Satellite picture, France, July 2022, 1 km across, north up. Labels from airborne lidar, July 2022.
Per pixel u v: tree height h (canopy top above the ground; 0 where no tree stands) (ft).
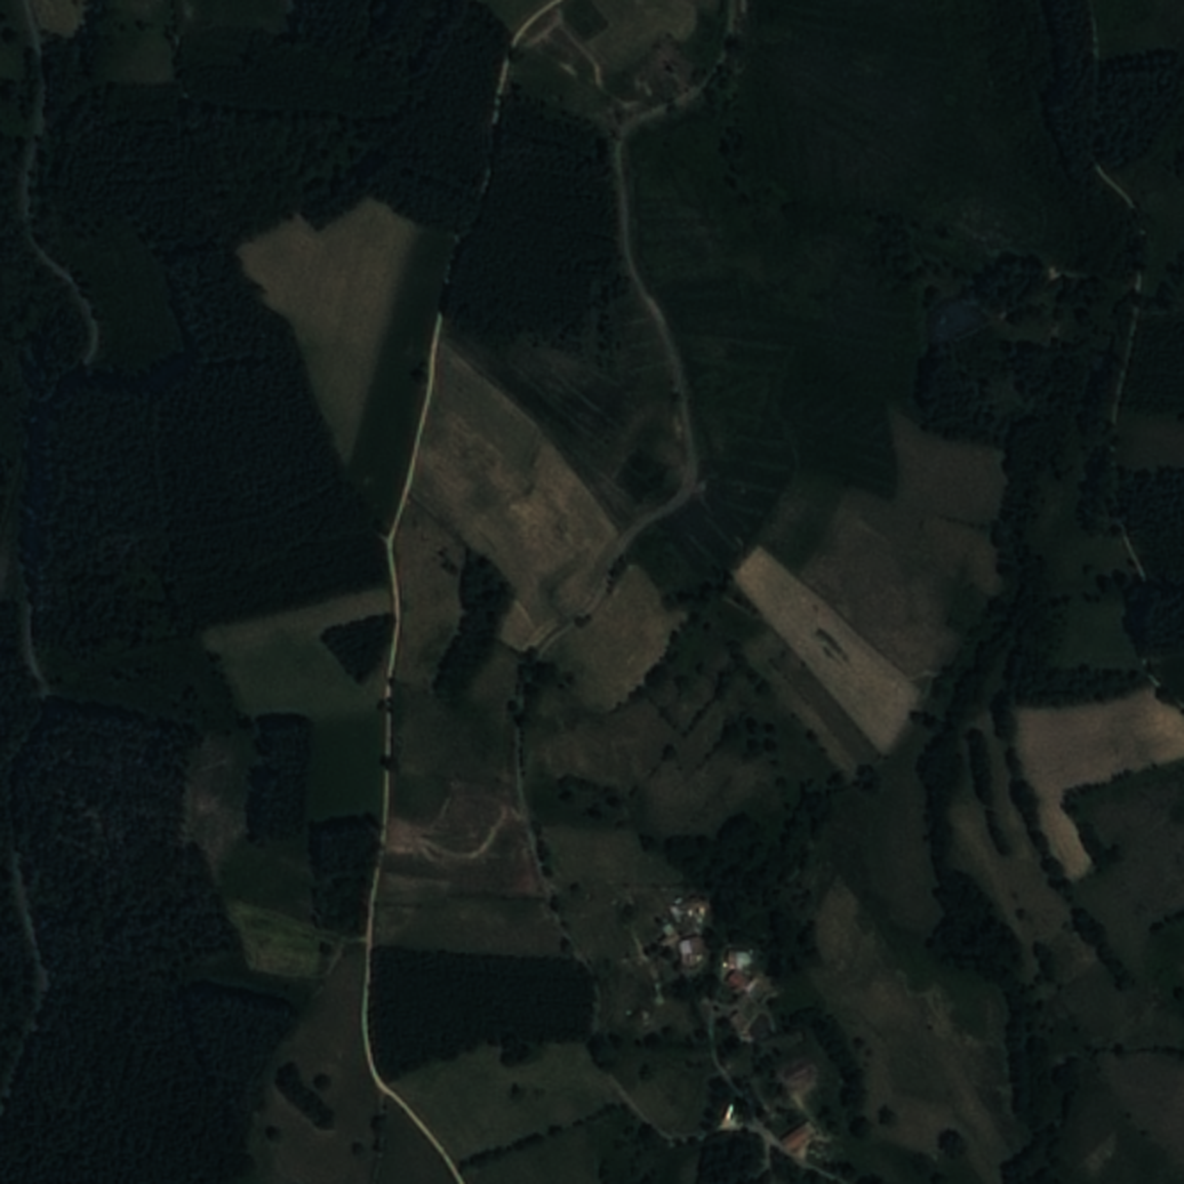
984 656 50
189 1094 46
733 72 56
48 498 115
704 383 0
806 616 0
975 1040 0
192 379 106
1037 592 46
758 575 0
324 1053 0
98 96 60
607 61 0
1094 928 56
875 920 0
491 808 0
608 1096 0
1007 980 60
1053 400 76
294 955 0
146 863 77
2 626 60
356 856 84
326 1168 0
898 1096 0
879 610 0
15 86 64
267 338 109
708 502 0
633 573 0
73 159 63
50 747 66
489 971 33
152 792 73
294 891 0
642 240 0
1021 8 22
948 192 0
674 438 0
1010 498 32
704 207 0
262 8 0
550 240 63
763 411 0
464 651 54
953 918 53
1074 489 0
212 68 24
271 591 26
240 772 0
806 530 0
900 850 0
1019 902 0
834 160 0
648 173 0
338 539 28
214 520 101
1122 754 0
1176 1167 0
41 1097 37
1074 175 79
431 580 0
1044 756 0
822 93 0
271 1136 41
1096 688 23
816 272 0
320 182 41
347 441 0
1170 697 45
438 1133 0
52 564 135
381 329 0
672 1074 0
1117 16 0
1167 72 81
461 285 58
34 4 0
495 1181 0
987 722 0
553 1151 0
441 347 0
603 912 0
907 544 0
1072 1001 0
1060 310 23
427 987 37
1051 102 86
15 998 59
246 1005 120
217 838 0
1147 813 0
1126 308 28
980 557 0
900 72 0
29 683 114
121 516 114
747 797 0
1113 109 84
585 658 0
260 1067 117
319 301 0
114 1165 53
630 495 0
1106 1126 0
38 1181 46
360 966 0
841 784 41
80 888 36
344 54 52
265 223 45
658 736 0
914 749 0
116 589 28
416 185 100
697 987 52
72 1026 55
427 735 0
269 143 59
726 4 23
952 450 0
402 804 0
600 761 0
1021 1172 53
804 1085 0
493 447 0
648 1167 0
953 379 93
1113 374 88
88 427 115
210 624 27
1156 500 77
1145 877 0
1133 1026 0
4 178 58
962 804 0
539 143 69
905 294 24
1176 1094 0
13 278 60
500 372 0
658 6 0
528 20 0
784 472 0
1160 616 116
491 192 35
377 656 31
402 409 0
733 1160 43
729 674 31
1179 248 0
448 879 0
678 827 0
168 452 100
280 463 90
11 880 71
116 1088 39
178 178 57
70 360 81
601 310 47
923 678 0
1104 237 21
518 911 0
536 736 0
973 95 0
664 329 0
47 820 119
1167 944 0
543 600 0
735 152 60
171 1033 41
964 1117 0
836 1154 0
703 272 0
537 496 0
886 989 0
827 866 0
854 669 0
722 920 43
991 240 0
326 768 0
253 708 0
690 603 57
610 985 0
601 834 0
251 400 109
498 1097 0
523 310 57
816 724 0
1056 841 0
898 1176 0
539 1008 36
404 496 0
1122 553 0
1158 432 0
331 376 0
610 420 0
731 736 47
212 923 70
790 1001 0
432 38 83
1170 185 0
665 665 30
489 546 0
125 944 93
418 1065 27
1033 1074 38
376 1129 39
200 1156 55
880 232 22
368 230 0
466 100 57
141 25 31
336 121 24
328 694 0
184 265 85
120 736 121
